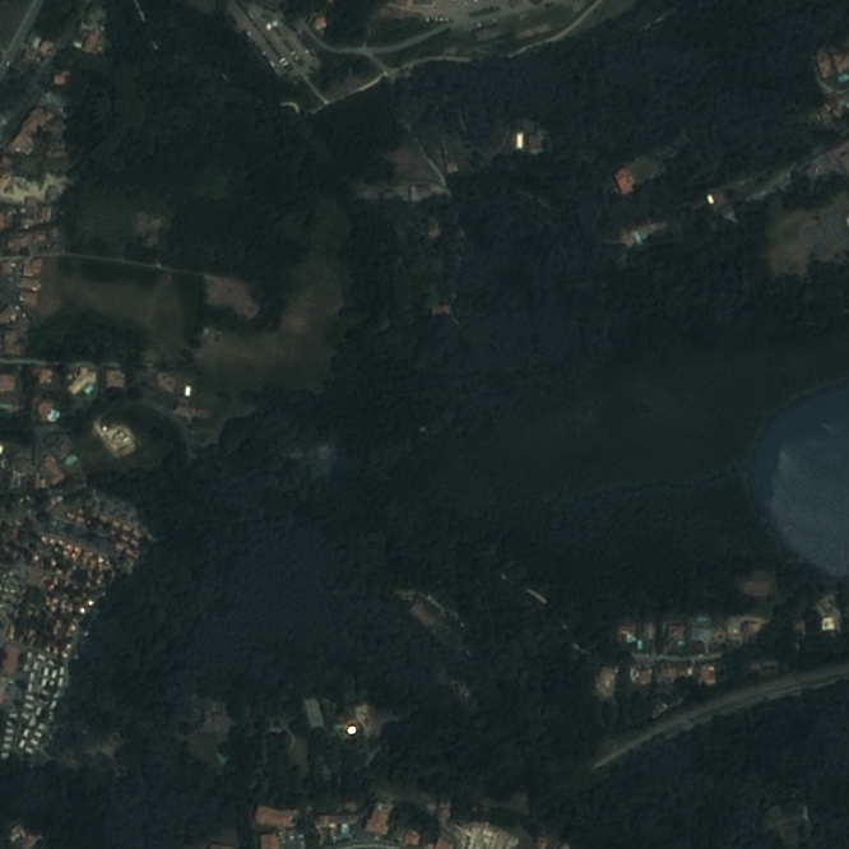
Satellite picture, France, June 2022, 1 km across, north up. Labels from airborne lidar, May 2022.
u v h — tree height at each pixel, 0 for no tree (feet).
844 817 89
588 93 32
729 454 23
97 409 44
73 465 0
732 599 75
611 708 51
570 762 73
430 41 17
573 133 88
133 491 22
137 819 88
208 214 31
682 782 85
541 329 89
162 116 44
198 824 89
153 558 60
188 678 92
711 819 90
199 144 47
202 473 68
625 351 88
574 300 71
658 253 68
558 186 66
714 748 81
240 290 0
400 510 55
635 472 20
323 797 42
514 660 95
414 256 62
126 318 0
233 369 0
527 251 65
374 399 41
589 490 30
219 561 54
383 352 33
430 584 45
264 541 76
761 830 98
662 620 25
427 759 38
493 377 73
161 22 33
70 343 51
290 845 0
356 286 27
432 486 59
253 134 73
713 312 82
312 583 79
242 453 31
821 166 0
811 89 66
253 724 35
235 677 51
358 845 0
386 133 37
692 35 50
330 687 70
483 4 0
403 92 76
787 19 56
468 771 45
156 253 26
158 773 67
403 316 60
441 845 0
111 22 22
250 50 59
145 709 51
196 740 0
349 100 34
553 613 58
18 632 37
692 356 28
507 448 18
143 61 51
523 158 43
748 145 91
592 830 79
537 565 59
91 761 68
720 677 50
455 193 41
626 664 42
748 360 25
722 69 68
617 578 64
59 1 40
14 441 42
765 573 31
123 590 52
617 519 48
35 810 64
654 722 40
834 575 0
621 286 69
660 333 90
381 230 54
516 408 33
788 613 44
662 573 65
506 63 62
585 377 83
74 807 55
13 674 0
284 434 78
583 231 77
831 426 0
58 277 0
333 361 25
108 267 0
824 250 0
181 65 38
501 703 99
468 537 41
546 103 82
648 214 29
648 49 52
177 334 0
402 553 31
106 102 56
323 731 27
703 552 47
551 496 25
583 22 0
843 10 68
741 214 67
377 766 55
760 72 62
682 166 41
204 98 56
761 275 50
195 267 31
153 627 49
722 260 44
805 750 60
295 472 91
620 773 65
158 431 32
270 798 31
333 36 35
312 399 26
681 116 66
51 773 55
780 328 63
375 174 32
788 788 87
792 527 0
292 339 0
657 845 68
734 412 21
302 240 74
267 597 82
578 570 72
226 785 73
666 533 61
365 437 52
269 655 64
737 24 37
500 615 45
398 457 64
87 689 35
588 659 95
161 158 23
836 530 0
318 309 0
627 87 57
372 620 103
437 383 56
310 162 59
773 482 0
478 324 88
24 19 0
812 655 73
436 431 63
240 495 87
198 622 73
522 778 47
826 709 52
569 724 85
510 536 45
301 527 71
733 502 26
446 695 76
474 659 90
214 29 51
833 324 56
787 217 0
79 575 47
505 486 25
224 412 0
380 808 0
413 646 85
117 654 49
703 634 0
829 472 0
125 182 19
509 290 79
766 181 34
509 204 42
